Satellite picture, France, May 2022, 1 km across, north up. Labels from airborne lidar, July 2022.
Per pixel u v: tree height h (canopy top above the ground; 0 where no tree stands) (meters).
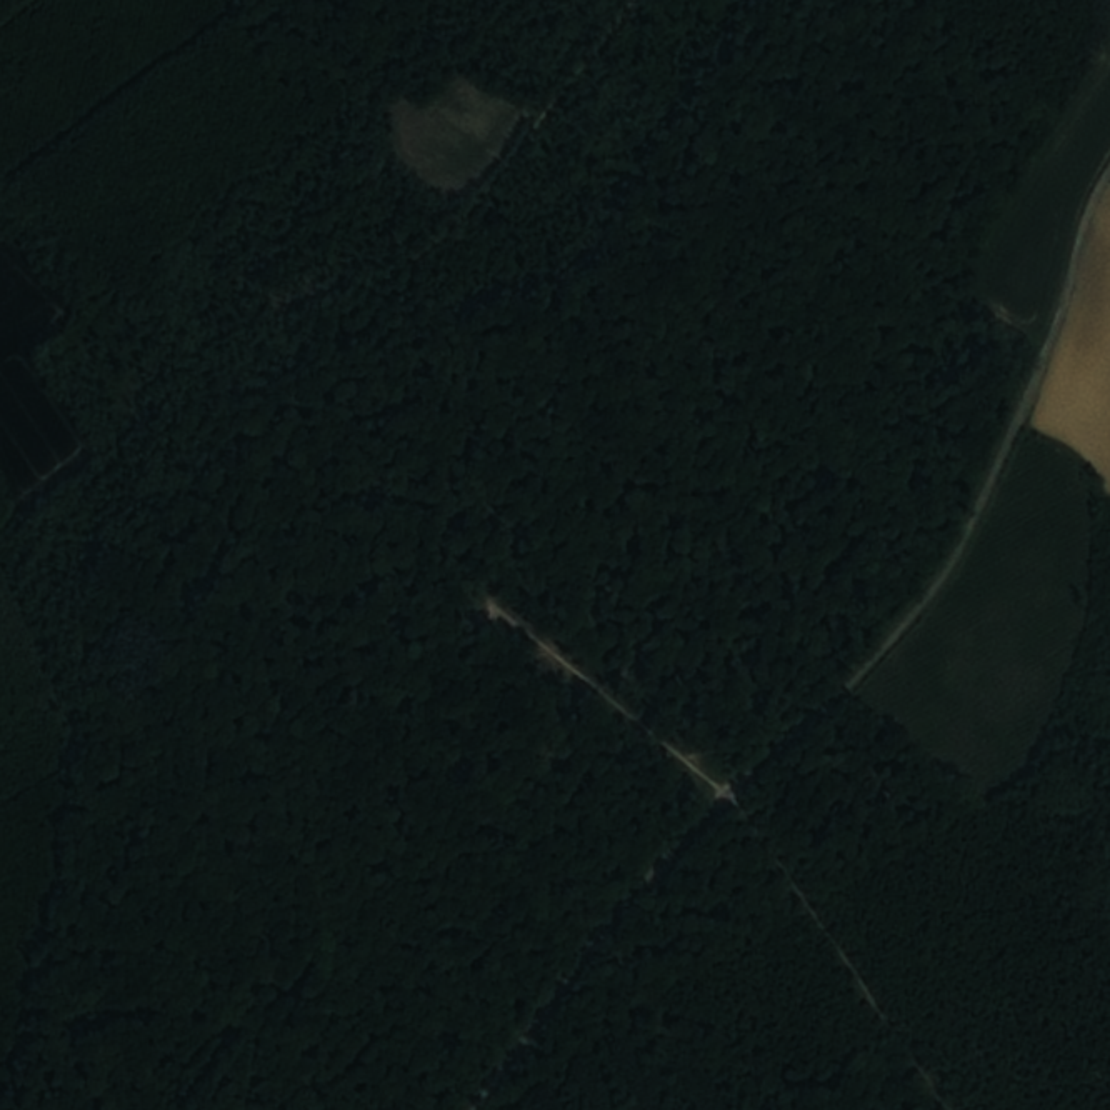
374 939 30
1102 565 7
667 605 34
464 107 0
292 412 31
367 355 31
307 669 35
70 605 27
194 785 34
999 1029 21
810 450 31
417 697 29
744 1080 9
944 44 26
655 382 29
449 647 32
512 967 33
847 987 15
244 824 28
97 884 31
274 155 25
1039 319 0
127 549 17
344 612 34
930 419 29
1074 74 20
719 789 0
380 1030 30
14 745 6
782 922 25
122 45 7
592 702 30
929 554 32
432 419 32
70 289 23
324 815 30
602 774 30
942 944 18
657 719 29
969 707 0
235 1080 31
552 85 24
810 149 30
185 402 25
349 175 26
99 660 26
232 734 32
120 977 33
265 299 13
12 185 19
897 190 31
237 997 32
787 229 31
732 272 29
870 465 34
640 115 26
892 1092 31
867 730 29
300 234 20
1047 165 0
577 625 32
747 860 29
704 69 26
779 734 29
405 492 33
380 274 25
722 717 30
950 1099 21
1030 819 18
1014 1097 20
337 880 30
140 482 30
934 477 33
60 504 20
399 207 24
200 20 7
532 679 31
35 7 8
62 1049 32
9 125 7
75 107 6
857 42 32
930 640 0
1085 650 6
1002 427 20
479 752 33
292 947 28
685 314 33
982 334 27
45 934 10
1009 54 22
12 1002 8
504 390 31
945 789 30
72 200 23
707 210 33
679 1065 16
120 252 22
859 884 20
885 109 31
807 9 30
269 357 25
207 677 31
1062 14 24
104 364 12
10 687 6
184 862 34
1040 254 0
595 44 21
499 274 9
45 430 0
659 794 28
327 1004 31
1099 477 27
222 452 26
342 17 31
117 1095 35
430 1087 29
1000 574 0
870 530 32
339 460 34
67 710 9
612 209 27
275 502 31
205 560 29
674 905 30
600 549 33
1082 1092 20
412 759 33
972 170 30
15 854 10
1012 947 20
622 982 28
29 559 30
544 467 32
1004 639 0
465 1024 28
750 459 30
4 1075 11
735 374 31
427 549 34
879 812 31
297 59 32
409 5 31
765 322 28
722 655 28
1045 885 19
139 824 29
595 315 32
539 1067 29
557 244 6
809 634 26
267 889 31
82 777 31
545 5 24
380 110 20
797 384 30
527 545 30
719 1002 21
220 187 22
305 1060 34
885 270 32
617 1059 14
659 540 33
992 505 0
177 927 35
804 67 31
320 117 23
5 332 0
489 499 31
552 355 30
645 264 32
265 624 33
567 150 15
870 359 27
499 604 28
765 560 29
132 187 21
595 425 32
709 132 32
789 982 20
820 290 34
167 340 18
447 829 36
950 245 31
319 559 32
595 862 31
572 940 29
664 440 28
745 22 32
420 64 23
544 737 33
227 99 19
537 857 32
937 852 18
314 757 33
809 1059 21
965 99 32
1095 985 20
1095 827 25
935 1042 21
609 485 32
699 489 24
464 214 17
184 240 26
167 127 22
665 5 27
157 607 30
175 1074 26
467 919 32
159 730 33
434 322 30
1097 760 19
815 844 27
